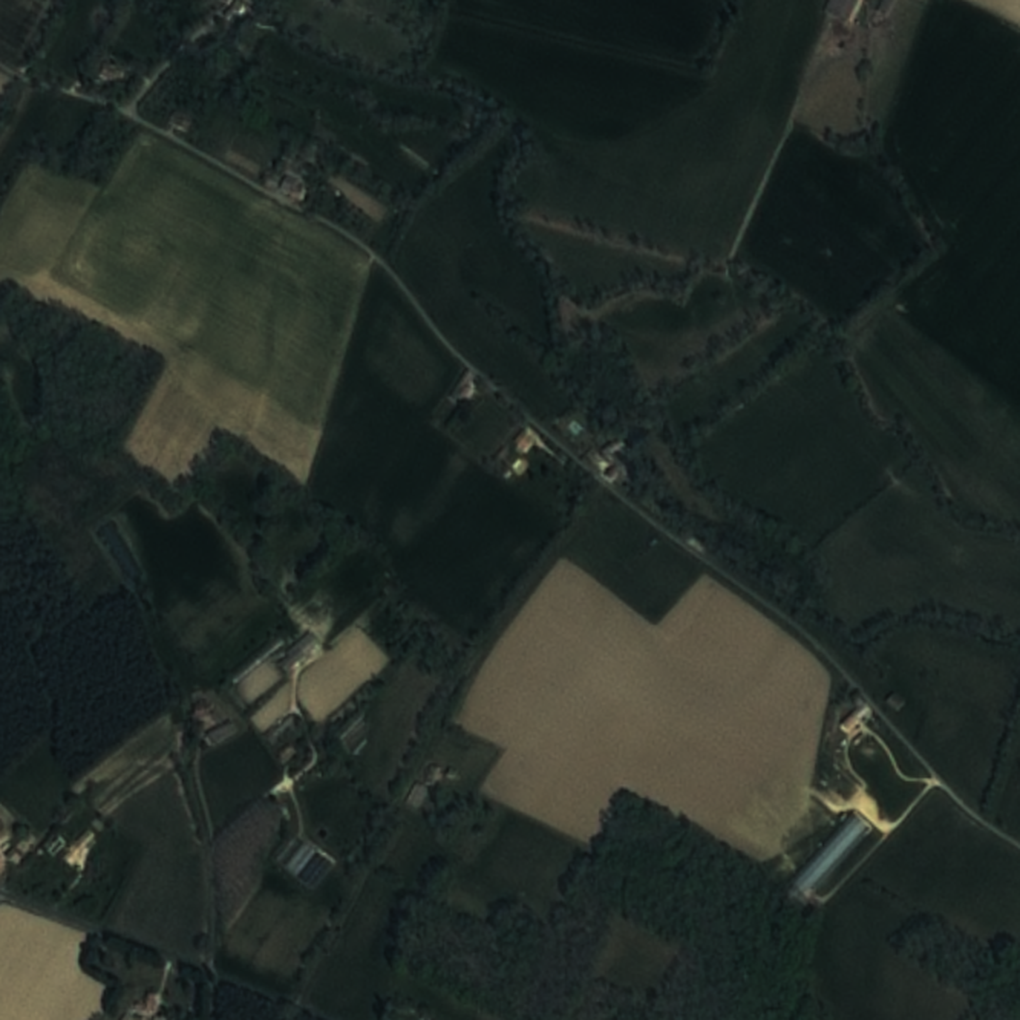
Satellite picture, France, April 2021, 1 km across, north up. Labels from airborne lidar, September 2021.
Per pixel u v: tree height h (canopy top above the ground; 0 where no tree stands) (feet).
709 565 0
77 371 66
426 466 0
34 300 40
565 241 0
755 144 0
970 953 70
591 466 0
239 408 0
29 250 0
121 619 56
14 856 0
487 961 73
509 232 43
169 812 0
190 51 48
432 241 0
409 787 35
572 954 37
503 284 0
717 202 0
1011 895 0
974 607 0
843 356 70
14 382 0
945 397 0
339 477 0
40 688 57
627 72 0
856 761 0
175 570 0
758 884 46
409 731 0
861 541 0
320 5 99
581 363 22
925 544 0
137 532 0
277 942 0
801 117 0
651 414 50
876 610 0
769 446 0
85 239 0
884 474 0
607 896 58
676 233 0
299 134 40
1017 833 0
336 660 0
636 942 0
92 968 29
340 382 0
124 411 49
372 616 0
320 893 0
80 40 0
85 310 0
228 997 51
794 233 0
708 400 0
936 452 0
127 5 71
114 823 29
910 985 0
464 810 60
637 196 0
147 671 46
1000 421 0
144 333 0
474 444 0
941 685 0
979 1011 51
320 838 0
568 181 0
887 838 0
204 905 0
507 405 37
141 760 0
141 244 0
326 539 72
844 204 0
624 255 0
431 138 0
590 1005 42
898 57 0
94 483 27
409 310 0
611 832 71
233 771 0
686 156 0
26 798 0
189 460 0
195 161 0
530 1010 48
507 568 0
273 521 55
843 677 0
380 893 0
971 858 0
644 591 0
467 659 45
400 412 0
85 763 44
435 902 74
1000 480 0
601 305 33
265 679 0
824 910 54
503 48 0
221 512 58
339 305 0
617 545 0
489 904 0
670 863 73
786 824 0
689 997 62
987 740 0
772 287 33
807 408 0
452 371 0
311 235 0
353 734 0
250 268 0
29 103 0
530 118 0
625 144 0
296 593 45
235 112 55
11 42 0
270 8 63
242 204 0
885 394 0
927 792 0
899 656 0
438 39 35
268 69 32
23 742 51
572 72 0
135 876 0
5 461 70
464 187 0
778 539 58
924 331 0
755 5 0
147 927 0
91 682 48
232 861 64
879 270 0
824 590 43
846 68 0
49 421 62
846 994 0
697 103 0
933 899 0
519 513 0
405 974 55
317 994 0
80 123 0
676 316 0
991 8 0
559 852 0
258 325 0
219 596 0
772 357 0
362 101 80
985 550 0
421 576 0
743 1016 73
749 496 0
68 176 50
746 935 67
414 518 0
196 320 0
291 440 0
